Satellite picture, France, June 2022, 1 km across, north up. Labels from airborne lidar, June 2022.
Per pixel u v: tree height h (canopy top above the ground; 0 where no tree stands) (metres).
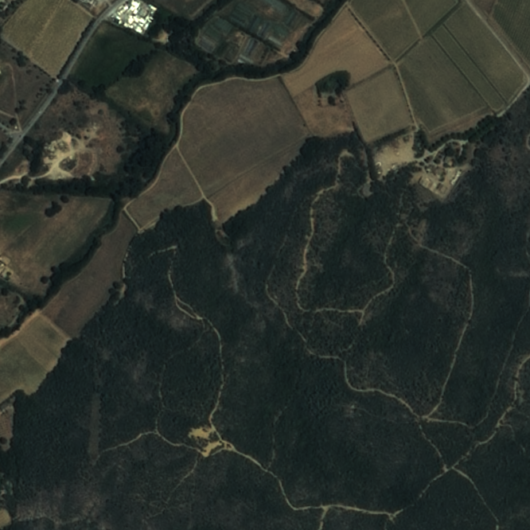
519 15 0
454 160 6
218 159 0
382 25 0
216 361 9
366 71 0
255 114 0
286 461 5
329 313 8
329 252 5
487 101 0
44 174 0
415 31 0
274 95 0
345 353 8
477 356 6
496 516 6
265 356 7
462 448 6
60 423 8
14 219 0
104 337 9
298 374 7
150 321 7
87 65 0
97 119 0
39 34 0
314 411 12
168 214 15
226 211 0
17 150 0
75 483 5
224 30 0
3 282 6
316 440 7
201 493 6
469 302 6
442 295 0
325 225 7
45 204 0
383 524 6
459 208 7
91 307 0
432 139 0
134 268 7
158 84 0
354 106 0
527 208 6
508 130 6
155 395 7
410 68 0
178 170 0
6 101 0
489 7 0
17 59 9
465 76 0
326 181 6
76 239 0
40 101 0
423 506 8
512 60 0
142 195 0
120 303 7
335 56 0
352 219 10
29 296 6
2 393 0
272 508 6
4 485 12
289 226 5
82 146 0
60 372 11
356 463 7
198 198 0
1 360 0
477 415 8
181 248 11
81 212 0
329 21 13
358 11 0
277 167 0
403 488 7
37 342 0
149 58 16
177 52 12
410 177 8
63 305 0
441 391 6
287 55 0
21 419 5
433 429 6
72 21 0
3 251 0
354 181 7
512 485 9
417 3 0
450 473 5
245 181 0
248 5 0
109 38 0
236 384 8
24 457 6
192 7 0
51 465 7
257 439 7
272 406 8
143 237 8
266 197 9
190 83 6
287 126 0
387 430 6
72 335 0
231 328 7
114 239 0
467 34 0
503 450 7
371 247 6
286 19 0
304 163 6
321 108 0
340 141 8
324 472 7
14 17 0
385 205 8
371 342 7
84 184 18
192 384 8
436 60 0
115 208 10
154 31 12
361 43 0
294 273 6
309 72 0
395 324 9
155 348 7
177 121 17
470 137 12
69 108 0
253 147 0
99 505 0
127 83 0
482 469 7
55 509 0
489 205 7
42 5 0
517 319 6
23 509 0
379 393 5
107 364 6
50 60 0
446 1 0
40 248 0
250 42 0
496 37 0
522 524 6
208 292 6
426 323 6
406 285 7
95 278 0
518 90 0
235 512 6
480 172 9
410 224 7
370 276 6
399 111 0
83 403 6
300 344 8
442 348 8
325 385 10
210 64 16
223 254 8
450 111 0
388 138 7
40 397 8
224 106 0
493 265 6
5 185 9
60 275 18
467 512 7
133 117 7
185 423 6
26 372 0
